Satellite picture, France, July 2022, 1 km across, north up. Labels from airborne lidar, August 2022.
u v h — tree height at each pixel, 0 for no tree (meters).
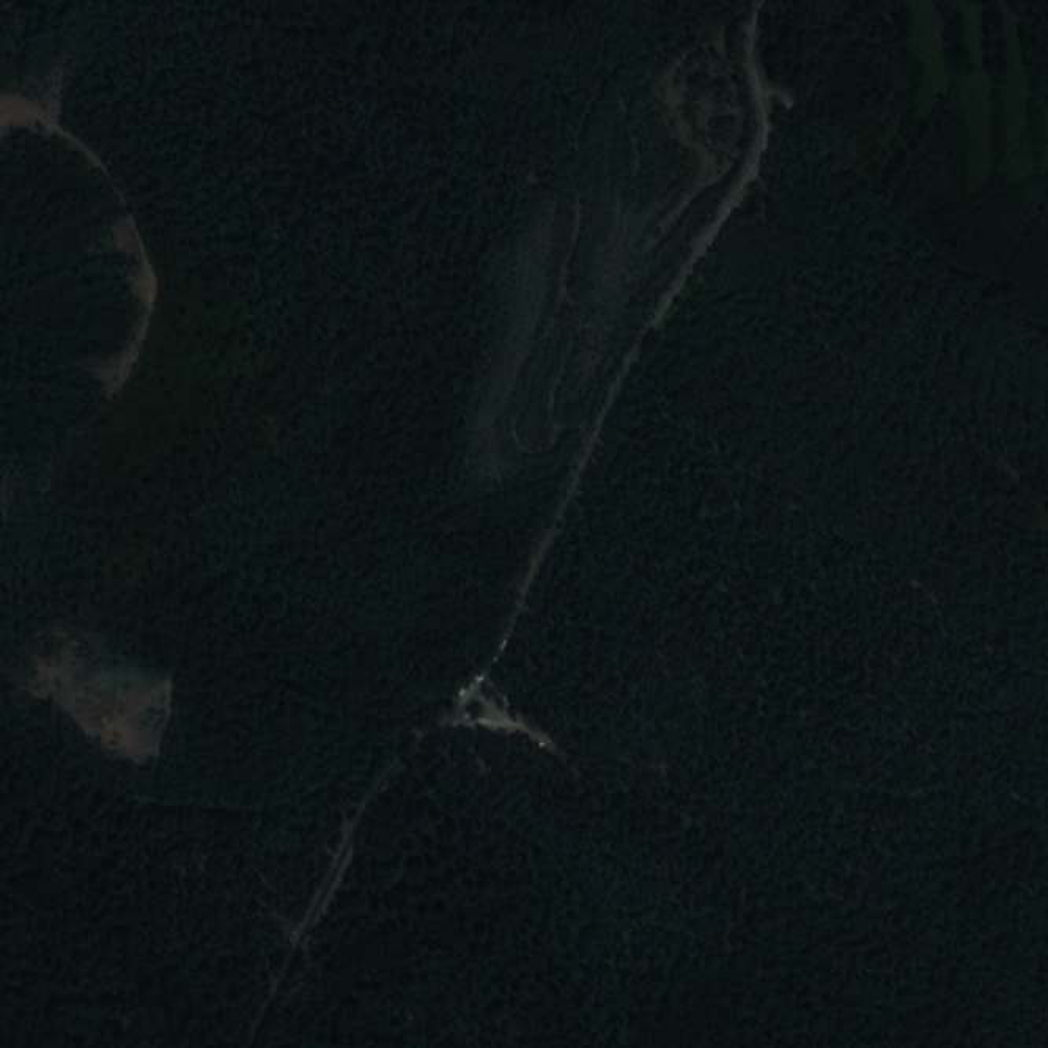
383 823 22
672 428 15
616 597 18
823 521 19
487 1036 15
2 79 0
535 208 10
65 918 24
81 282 8
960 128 6
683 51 9
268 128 23
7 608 10
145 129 21
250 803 23
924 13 0
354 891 15
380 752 26
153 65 17
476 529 9
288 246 24
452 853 19
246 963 22
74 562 6
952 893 17
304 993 13
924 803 17
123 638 9
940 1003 21
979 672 20
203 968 22
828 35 14
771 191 16
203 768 19
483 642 19
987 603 18
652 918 15
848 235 10
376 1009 9
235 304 7
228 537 19
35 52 13
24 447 18
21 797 24
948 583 24
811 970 18
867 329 21
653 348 18
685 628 13
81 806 11
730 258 8
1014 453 6
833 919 13
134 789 18
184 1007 20
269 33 17
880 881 22
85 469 13
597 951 15
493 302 16
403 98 5
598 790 18
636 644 21
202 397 7
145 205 13
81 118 11
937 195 6
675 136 8
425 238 20
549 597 18
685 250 7
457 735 25
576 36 27
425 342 7
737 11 12
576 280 12
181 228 14
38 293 8
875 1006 16
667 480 9
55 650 8
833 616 12
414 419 11
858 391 22
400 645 15
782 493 23
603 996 21
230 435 12
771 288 13
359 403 21
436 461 9
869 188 14
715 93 11
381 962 7
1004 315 20
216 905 26
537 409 11
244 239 15
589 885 18
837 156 16
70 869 20
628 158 14
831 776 21
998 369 18
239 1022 19
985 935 15
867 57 11
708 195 7
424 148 30
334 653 18
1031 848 21
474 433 6
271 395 18
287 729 20
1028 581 15
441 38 19
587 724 16
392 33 19
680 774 17
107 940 24
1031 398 21
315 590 16
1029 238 5
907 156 20
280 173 16
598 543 17
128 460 8
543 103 25
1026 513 7
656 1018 13
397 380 12
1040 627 17
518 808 22
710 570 20
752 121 10
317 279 21
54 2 6
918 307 23
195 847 17
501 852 17
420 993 7
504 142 21
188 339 9
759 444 24
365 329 16
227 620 16
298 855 23
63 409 8
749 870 11
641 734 18
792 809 17
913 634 23
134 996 25
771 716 8
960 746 19
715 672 17
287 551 13
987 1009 19
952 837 23
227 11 18
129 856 24
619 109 12
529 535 15
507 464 8
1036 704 19
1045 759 20
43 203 19
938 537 22
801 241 9
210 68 19
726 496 15
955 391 21
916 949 19
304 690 22
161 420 12
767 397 21
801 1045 16
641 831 22
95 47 12
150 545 11
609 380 9
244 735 13
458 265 6
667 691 20
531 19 19
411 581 16
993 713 23
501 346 7
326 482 18
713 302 9
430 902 17
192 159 16
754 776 19
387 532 10
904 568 17
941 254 7
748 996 7
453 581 18
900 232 9
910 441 23
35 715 12
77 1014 25
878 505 24
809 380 23
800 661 9
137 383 7
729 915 9
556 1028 8
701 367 18
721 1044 12
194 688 14
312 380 12
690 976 13
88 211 13
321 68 21
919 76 8
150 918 20
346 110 21
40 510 11
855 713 17
